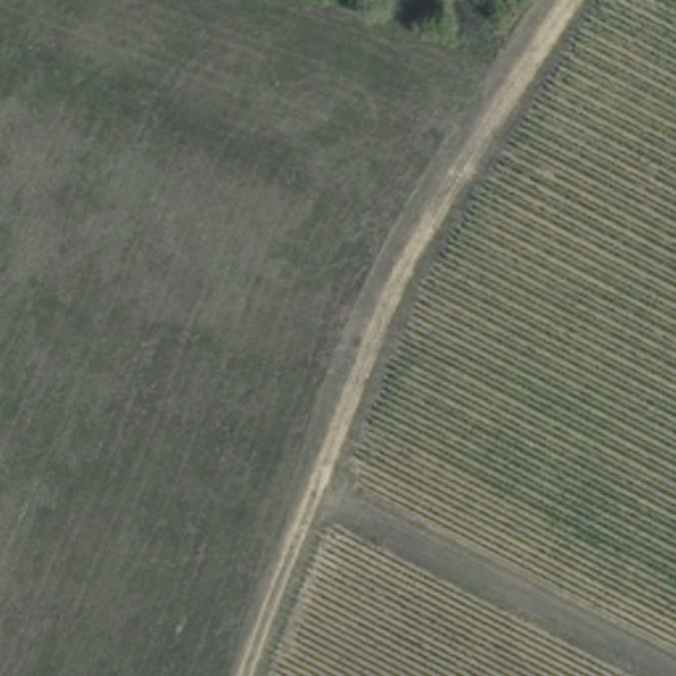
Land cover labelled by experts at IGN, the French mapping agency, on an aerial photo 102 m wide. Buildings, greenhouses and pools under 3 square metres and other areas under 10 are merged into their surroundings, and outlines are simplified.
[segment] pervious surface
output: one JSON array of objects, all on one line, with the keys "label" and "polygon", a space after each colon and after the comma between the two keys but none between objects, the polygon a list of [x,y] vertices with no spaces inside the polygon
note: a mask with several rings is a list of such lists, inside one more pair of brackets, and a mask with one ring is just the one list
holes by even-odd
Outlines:
[{"label": "pervious surface", "polygon": [[420,224],[415,227],[409,243],[396,259],[375,301],[372,317],[356,349],[356,362],[346,378],[327,436],[314,459],[312,475],[301,491],[293,520],[283,536],[269,578],[261,589],[261,602],[232,676],[256,676],[290,573],[298,562],[314,512],[322,502],[322,491],[330,483],[351,417],[362,399],[364,380],[370,378],[383,333],[401,301],[404,285],[412,277],[415,264],[430,243],[433,232],[449,214],[457,195],[462,193],[465,182],[475,174],[475,166],[486,153],[491,135],[504,124],[525,87],[531,85],[531,79],[536,77],[541,61],[549,55],[552,45],[573,18],[576,5],[570,0],[557,0],[549,8],[541,26],[536,29],[528,50],[512,66],[502,90],[494,95],[494,100],[475,121],[473,135],[457,153],[454,164],[441,174],[423,211]]}]

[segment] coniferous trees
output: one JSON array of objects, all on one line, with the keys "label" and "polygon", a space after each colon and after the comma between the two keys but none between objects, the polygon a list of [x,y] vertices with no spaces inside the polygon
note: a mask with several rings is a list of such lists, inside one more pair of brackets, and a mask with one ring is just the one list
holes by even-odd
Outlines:
[{"label": "coniferous trees", "polygon": [[491,66],[496,61],[499,50],[510,42],[515,24],[523,18],[525,8],[533,0],[343,0],[351,8],[351,21],[356,24],[383,24],[393,16],[404,26],[420,21],[425,26],[423,42],[454,45],[462,55],[473,55],[481,66]]}]

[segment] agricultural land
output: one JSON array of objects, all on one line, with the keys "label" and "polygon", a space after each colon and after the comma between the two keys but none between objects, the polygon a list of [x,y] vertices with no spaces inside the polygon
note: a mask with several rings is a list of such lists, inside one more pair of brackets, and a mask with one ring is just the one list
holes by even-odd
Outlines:
[{"label": "agricultural land", "polygon": [[462,55],[454,45],[423,42],[425,26],[420,21],[404,26],[393,16],[383,24],[356,24],[351,21],[351,8],[343,0],[0,0],[0,676],[232,676],[261,602],[261,589],[269,578],[283,536],[293,520],[301,491],[312,475],[314,459],[327,436],[346,378],[356,362],[356,349],[372,317],[375,301],[396,259],[409,243],[415,227],[420,224],[423,211],[441,174],[454,164],[457,153],[473,135],[475,121],[494,100],[494,95],[502,90],[512,66],[528,50],[536,29],[541,26],[549,8],[557,0],[533,0],[525,8],[523,18],[515,24],[510,42],[499,50],[496,61],[491,66],[481,66],[473,55]]}]

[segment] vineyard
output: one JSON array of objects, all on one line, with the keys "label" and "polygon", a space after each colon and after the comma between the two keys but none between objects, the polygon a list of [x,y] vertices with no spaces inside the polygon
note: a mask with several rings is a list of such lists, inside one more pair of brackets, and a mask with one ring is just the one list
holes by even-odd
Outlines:
[{"label": "vineyard", "polygon": [[330,483],[322,491],[322,502],[314,512],[298,562],[290,573],[256,676],[676,676],[676,0],[570,0],[576,5],[573,18],[552,45],[549,55],[541,61],[536,77],[531,79],[531,85],[525,87],[504,124],[491,135],[486,153],[475,166],[475,174],[465,182],[462,193],[457,195],[449,214],[433,232],[430,243],[415,264],[412,277],[404,285],[401,301],[383,333],[370,378],[364,380],[362,399],[351,417]]}]

